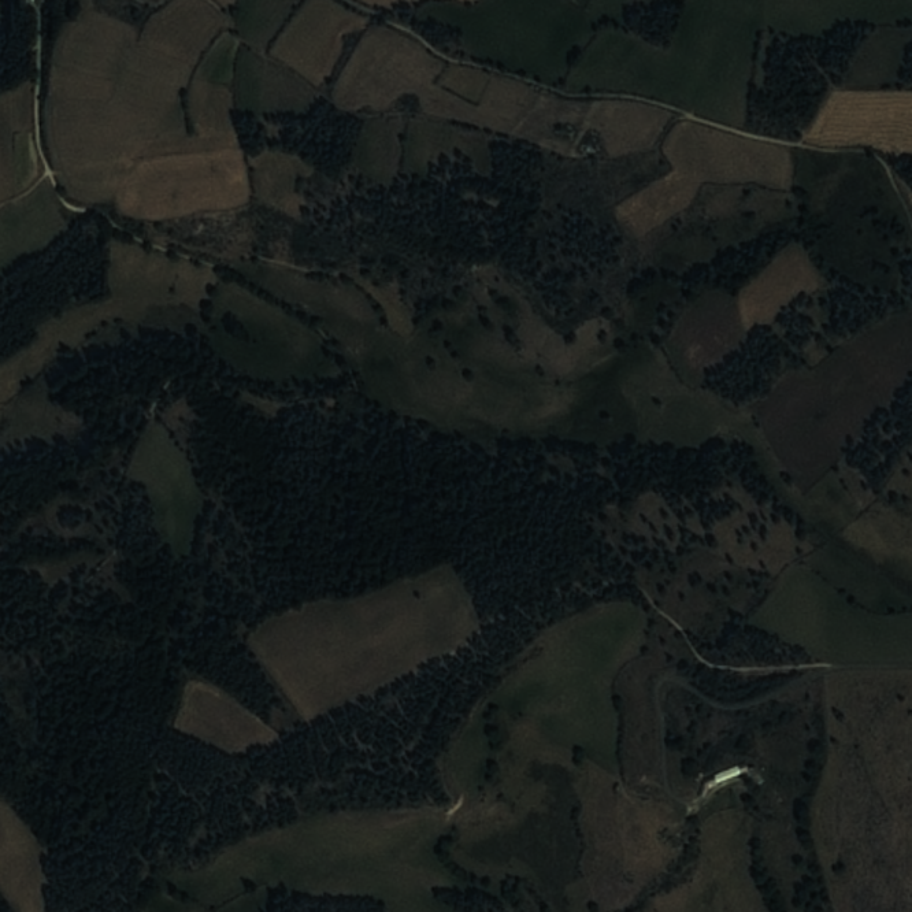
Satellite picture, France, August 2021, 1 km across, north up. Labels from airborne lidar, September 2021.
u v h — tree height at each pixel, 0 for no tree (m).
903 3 0
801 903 10
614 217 0
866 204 0
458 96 0
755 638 16
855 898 0
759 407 0
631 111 0
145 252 13
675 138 0
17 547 9
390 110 0
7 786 15
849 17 0
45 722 12
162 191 0
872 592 0
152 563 11
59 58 0
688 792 0
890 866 0
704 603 0
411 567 22
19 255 0
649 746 0
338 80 0
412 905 0
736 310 0
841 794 0
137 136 0
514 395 0
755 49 8
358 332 0
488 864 0
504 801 7
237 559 12
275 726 0
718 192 0
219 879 0
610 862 0
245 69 0
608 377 0
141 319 0
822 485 0
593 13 0
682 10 9
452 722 12
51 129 0
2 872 0
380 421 11
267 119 12
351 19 0
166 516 0
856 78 0
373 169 0
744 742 12
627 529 0
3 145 0
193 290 0
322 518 17
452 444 7
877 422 14
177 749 12
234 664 15
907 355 0
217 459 7
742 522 0
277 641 0
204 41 0
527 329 0
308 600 11
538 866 0
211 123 0
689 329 0
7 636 11
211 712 0
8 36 20
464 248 19
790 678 9
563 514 17
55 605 13
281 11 0
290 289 0
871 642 0
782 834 0
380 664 0
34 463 17
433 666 11
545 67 0
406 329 0
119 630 11
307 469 17
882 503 0
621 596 15
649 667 0
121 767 16
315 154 21
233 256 0
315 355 0
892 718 0
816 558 0
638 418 0
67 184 0
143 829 11
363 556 18
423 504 18
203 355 11
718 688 11
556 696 0
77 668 15
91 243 25
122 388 13
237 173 0
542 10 0
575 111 0
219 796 13
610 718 0
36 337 19
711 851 0
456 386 0
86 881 7
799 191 11
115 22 0
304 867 0
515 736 0
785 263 0
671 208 0
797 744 0
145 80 0
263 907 0
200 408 6
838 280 10
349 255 7
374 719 14
